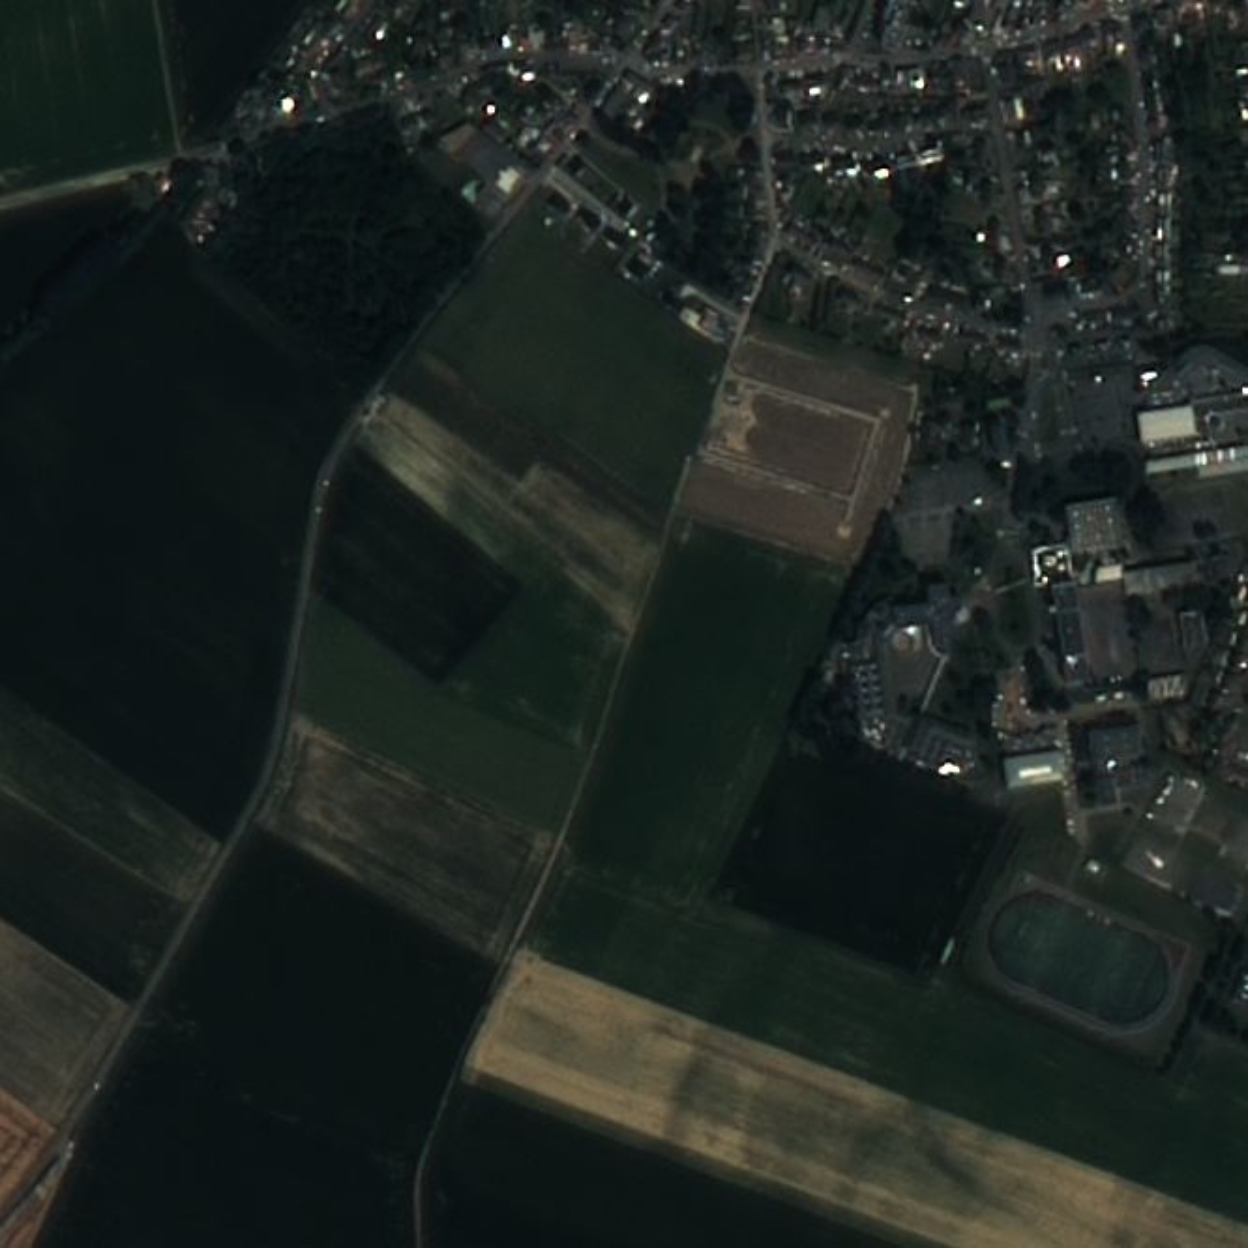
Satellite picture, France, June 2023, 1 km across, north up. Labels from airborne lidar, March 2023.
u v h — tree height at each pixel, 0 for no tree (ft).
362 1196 0
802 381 0
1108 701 0
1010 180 0
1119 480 46
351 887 0
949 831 0
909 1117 0
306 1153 0
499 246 0
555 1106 0
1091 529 0
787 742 0
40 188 0
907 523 0
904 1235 0
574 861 0
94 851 0
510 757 0
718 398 0
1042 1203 0
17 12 0
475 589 0
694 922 0
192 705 0
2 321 0
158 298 0
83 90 0
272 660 0
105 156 0
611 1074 0
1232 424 0
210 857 0
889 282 0
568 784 0
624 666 0
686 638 0
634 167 0
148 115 0
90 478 0
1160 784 0
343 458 0
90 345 0
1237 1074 0
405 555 0
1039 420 0
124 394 0
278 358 0
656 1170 0
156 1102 0
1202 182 26
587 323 0
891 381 0
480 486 0
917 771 43
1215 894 0
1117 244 0
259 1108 0
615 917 0
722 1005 0
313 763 0
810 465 0
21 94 0
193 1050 0
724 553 0
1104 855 0
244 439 0
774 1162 0
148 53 0
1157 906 0
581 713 0
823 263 0
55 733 0
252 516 0
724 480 0
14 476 0
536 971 0
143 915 0
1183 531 0
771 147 0
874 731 0
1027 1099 0
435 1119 0
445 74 0
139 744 0
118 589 0
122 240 56
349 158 36
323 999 0
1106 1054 0
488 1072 0
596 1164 0
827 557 0
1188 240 26
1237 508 0
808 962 0
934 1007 0
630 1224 0
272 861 0
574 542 0
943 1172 0
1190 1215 0
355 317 34
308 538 0
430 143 38
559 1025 0
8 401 0
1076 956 0
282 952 0
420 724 0
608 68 0
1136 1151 0
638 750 0
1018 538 0
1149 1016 0
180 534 0
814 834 0
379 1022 0
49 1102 0
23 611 0
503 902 0
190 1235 0
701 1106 0
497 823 0
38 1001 0
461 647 0
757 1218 0
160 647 0
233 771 0
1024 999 0
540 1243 0
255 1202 0
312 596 0
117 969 0
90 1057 0
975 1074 0
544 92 30
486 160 0
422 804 0
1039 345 0
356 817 0
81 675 0
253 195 43
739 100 39
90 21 0
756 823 0
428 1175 0
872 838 0
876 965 0
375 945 0
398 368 0
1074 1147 0
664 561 0
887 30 0
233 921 0
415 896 0
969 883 0
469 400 0
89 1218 0
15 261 0
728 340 0
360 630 0
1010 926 0
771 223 0
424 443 0
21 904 0
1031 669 51
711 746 0
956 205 0
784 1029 0
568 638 0
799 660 0
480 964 0
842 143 0
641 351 0
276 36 0
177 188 32
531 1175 0
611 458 0
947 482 0
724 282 22
